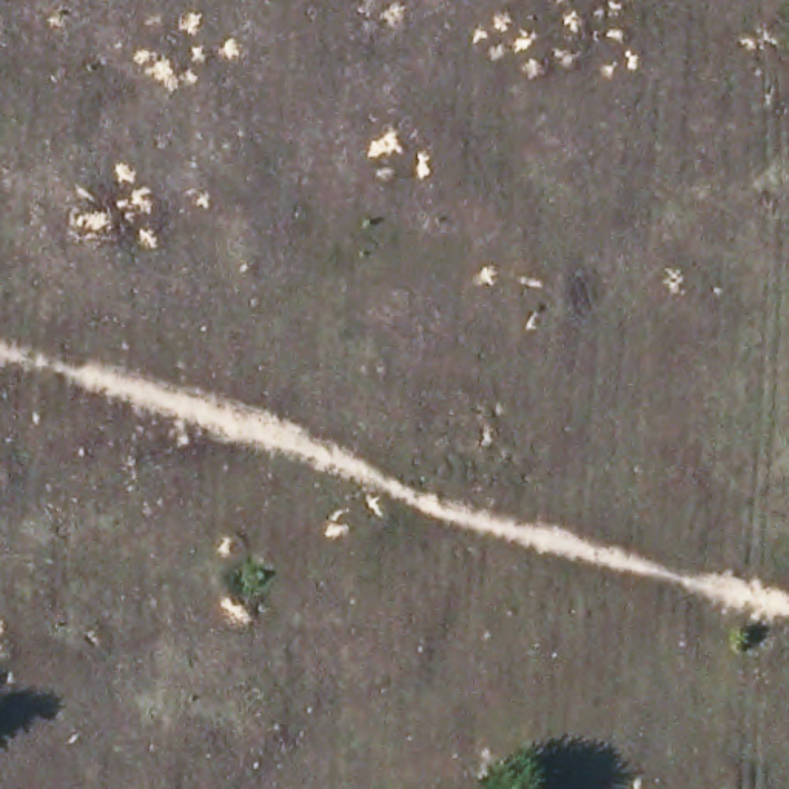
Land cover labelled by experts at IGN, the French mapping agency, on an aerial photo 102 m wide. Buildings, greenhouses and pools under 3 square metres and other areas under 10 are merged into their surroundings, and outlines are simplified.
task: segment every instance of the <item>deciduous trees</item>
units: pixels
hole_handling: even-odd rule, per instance
[[[484,789],[539,789],[533,752],[524,749],[505,758],[505,764],[490,764]]]

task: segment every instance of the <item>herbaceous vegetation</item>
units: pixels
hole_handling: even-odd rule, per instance
[[[170,62],[173,71],[191,71],[197,74],[197,80],[176,89],[163,86],[157,77],[142,71],[142,65],[136,62],[139,49],[157,52],[163,62]],[[197,206],[185,194],[166,188],[166,176],[185,170],[185,163],[191,160],[191,133],[213,133],[216,142],[231,142],[228,157],[216,163],[213,173],[200,182],[200,188],[210,194],[210,206]],[[280,422],[299,425],[311,441],[324,447],[339,447],[348,456],[382,472],[385,478],[395,478],[404,487],[435,496],[438,502],[456,502],[472,512],[484,512],[515,524],[561,527],[592,546],[619,549],[626,555],[663,564],[669,570],[693,576],[724,573],[789,595],[789,0],[0,0],[0,176],[3,170],[31,173],[37,163],[55,163],[65,185],[83,185],[89,191],[89,197],[83,197],[77,206],[83,216],[105,213],[120,197],[133,197],[133,191],[142,188],[151,200],[151,210],[142,210],[136,219],[126,219],[126,213],[120,213],[111,222],[105,222],[96,240],[71,240],[71,219],[55,206],[55,200],[40,200],[40,206],[31,206],[31,194],[9,191],[0,179],[0,342],[15,348],[34,348],[37,354],[59,358],[74,367],[105,367],[133,379],[157,382],[188,398],[213,398],[271,413]]]
[[[139,697],[154,690],[157,684],[157,641],[173,644],[185,653],[182,672],[173,672],[173,681],[163,693],[163,703],[173,706],[173,727],[157,718],[142,721],[142,712],[136,706]],[[767,616],[755,623],[752,607],[746,604],[734,607],[666,579],[616,570],[607,564],[592,564],[583,558],[567,558],[558,552],[539,552],[536,546],[524,546],[518,539],[441,521],[407,505],[404,499],[395,499],[388,490],[361,484],[358,478],[339,472],[314,468],[314,462],[296,453],[265,450],[247,441],[225,441],[213,435],[206,425],[197,425],[185,416],[136,407],[126,398],[86,388],[52,370],[22,370],[18,364],[0,364],[0,789],[484,789],[490,764],[505,764],[505,758],[524,749],[533,752],[539,789],[789,789],[789,616]]]

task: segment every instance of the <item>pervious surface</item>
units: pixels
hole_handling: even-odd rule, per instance
[[[663,564],[626,555],[619,549],[592,546],[561,527],[515,524],[484,512],[472,512],[456,502],[438,502],[435,496],[404,487],[395,478],[385,478],[382,472],[348,456],[339,447],[324,447],[311,441],[299,425],[280,422],[271,413],[213,398],[188,398],[157,382],[133,379],[105,367],[74,367],[59,358],[37,354],[34,348],[15,348],[0,342],[0,364],[18,364],[22,370],[52,370],[86,388],[126,398],[136,407],[185,416],[197,425],[206,425],[213,435],[225,441],[247,441],[265,450],[296,453],[314,462],[314,468],[339,472],[358,478],[361,484],[388,490],[395,499],[404,499],[407,505],[441,521],[518,539],[524,546],[536,546],[539,552],[558,552],[567,558],[583,558],[592,564],[607,564],[616,570],[666,579],[734,607],[746,604],[752,607],[755,623],[767,616],[789,616],[789,595],[724,573],[693,576],[669,570]]]

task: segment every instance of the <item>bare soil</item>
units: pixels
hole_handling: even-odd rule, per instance
[[[173,672],[182,672],[185,653],[173,644],[157,641],[157,684],[154,690],[139,697],[136,706],[142,712],[142,721],[157,718],[173,727],[173,706],[163,703],[163,693],[173,681]]]
[[[157,52],[139,49],[136,62],[142,65],[142,71],[157,77],[163,86],[176,89],[197,80],[197,74],[191,71],[173,71],[170,62],[163,62]]]
[[[191,133],[191,160],[185,163],[185,170],[166,176],[166,188],[185,194],[197,206],[210,206],[210,194],[200,188],[200,182],[213,173],[216,163],[228,157],[231,142],[216,142],[213,133]]]
[[[136,219],[142,210],[151,210],[151,200],[142,188],[133,191],[133,197],[120,197],[105,213],[83,216],[77,206],[83,197],[89,197],[89,191],[83,185],[65,185],[55,163],[37,163],[31,173],[3,170],[0,176],[0,179],[9,191],[31,194],[31,206],[40,206],[40,200],[55,200],[55,206],[71,219],[71,240],[96,240],[105,222],[111,222],[120,213],[126,213],[126,219]]]

